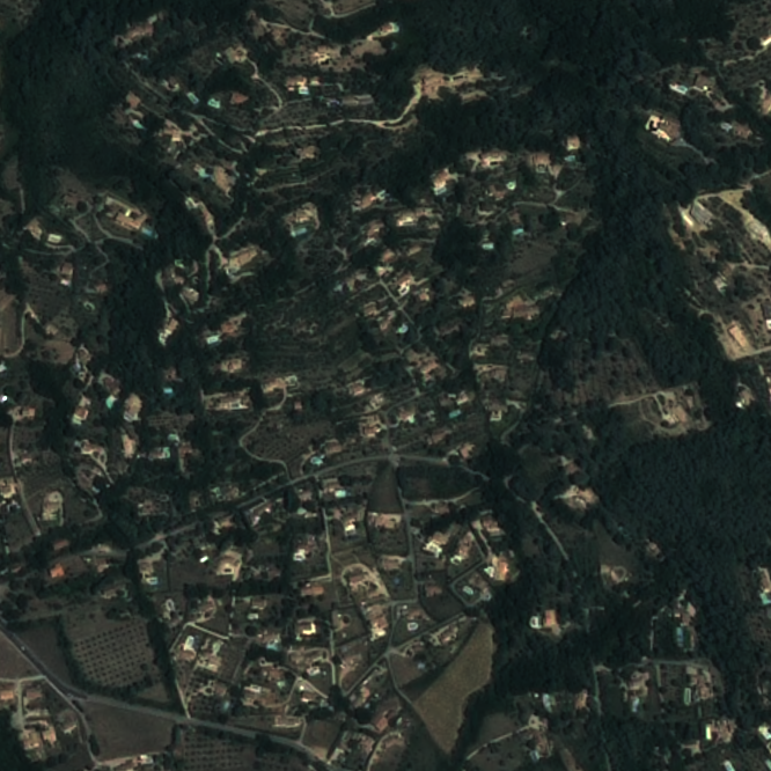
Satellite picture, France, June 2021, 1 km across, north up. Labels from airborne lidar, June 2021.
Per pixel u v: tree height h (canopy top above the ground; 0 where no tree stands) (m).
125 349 11
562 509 15
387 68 13
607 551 0
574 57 20
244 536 13
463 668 0
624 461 22
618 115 19
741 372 6
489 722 0
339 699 17
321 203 13
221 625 0
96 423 12
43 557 14
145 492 6
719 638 22
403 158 13
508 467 15
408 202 14
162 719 0
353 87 7
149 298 11
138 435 9
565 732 13
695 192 20
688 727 13
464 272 19
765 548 11
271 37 11
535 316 8
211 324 12
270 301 14
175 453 6
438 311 19
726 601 21
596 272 21
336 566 0
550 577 20
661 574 13
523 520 15
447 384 13
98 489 13
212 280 6
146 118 13
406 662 0
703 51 22
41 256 8
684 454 18
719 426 13
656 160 6
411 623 0
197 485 16
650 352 17
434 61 22
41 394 17
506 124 11
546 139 16
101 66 12
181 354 11
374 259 15
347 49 10
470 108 16
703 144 21
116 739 0
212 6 11
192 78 16
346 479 13
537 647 19
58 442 18
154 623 10
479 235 17
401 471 14
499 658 10
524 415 8
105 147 6
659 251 21
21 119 9
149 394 12
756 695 7
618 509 24
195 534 6
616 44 20
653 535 14
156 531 14
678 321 14
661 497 20
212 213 14
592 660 20
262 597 7
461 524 12
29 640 0
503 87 18
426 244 6
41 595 14
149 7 14
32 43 11
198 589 11
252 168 13
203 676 6
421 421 6
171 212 9
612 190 21
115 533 14
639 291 7
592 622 6
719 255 9
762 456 19
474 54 21
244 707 15
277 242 14
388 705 0
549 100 18
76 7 13
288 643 9
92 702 0
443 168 13
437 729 0
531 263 0
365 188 7
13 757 11
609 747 16
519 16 17
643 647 19
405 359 6
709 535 20
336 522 11
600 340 18
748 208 18
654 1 23
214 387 20
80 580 12
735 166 15
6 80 7
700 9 15
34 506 0
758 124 11
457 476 13
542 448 19
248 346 14
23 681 0
